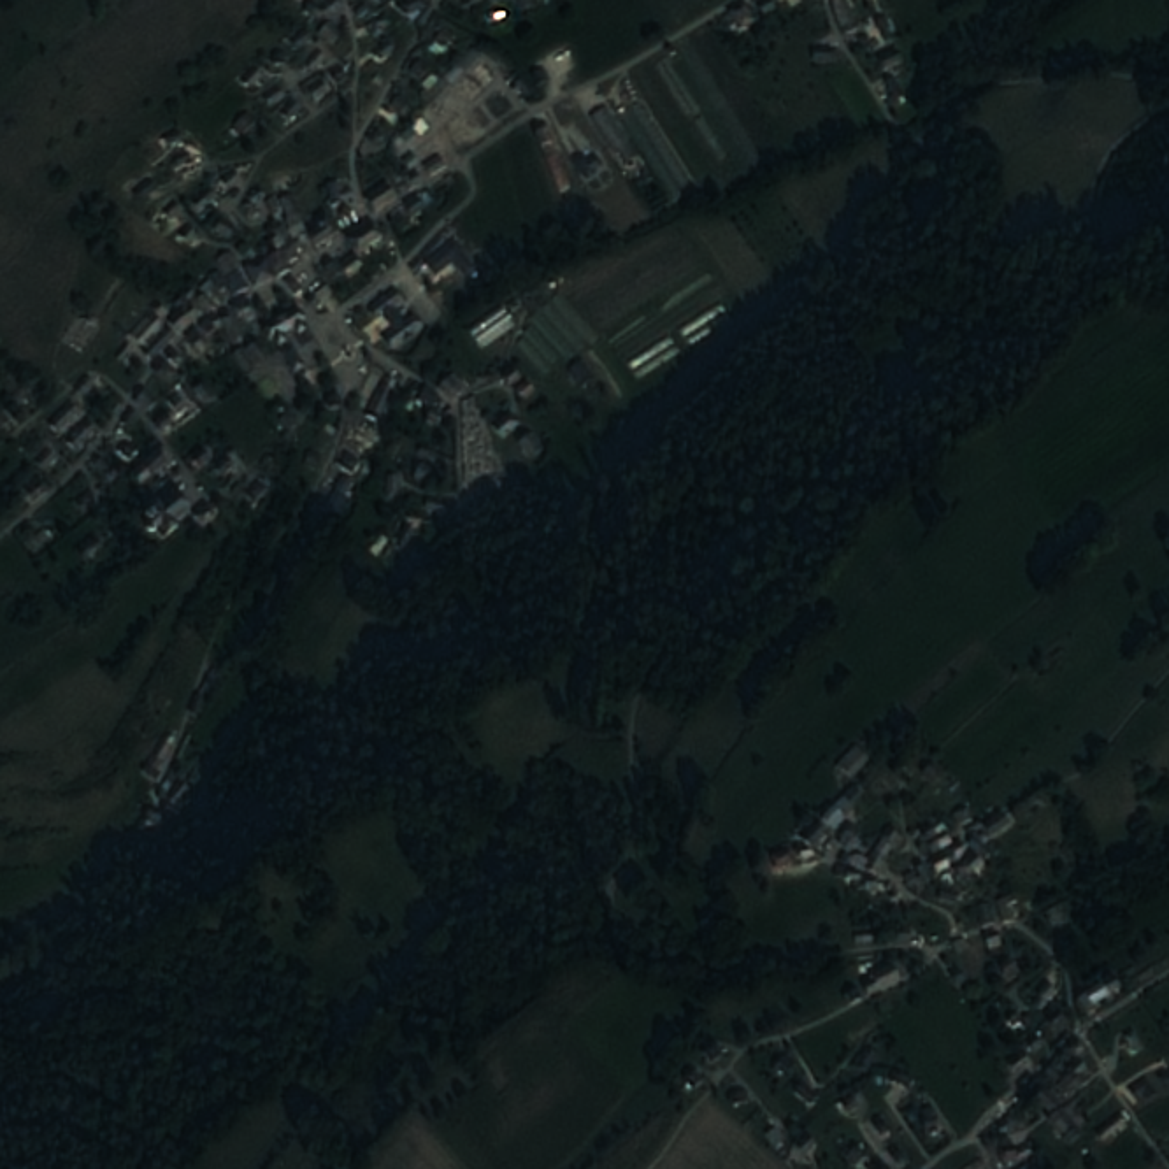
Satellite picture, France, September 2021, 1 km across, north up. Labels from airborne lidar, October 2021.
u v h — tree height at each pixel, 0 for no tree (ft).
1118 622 0
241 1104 36
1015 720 0
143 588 0
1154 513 0
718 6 0
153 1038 105
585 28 0
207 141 0
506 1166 0
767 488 64
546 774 18
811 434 99
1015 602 0
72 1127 77
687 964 74
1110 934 102
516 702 0
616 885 0
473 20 25
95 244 63
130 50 0
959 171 105
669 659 69
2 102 0
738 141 0
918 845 27
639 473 114
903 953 23
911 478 84
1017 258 73
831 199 0
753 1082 0
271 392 0
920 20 0
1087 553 74
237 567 60
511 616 89
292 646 41
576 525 103
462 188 0
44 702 0
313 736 99
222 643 0
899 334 0
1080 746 0
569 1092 0
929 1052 0
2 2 58
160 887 103
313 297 0
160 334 0
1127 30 0
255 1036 106
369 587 71
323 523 95
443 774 101
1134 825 45
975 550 0
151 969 73
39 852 0
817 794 0
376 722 60
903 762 57
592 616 25
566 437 0
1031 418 0
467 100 0
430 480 48
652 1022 0
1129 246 80
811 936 0
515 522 58
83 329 0
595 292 0
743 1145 0
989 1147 27
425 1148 0
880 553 0
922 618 0
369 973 0
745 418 81
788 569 88
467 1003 88
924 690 0
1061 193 0
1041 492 0
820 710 0
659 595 61
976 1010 25
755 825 0
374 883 0
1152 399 0
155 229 0
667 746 0
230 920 30
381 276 0
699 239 0
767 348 66
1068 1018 20
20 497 44
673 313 0
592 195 0
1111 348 0
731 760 0
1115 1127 0
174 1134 74
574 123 0
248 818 57
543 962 104
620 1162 0
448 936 69
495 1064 0
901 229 54
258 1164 0
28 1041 90
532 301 0
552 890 48
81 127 37
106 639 0
